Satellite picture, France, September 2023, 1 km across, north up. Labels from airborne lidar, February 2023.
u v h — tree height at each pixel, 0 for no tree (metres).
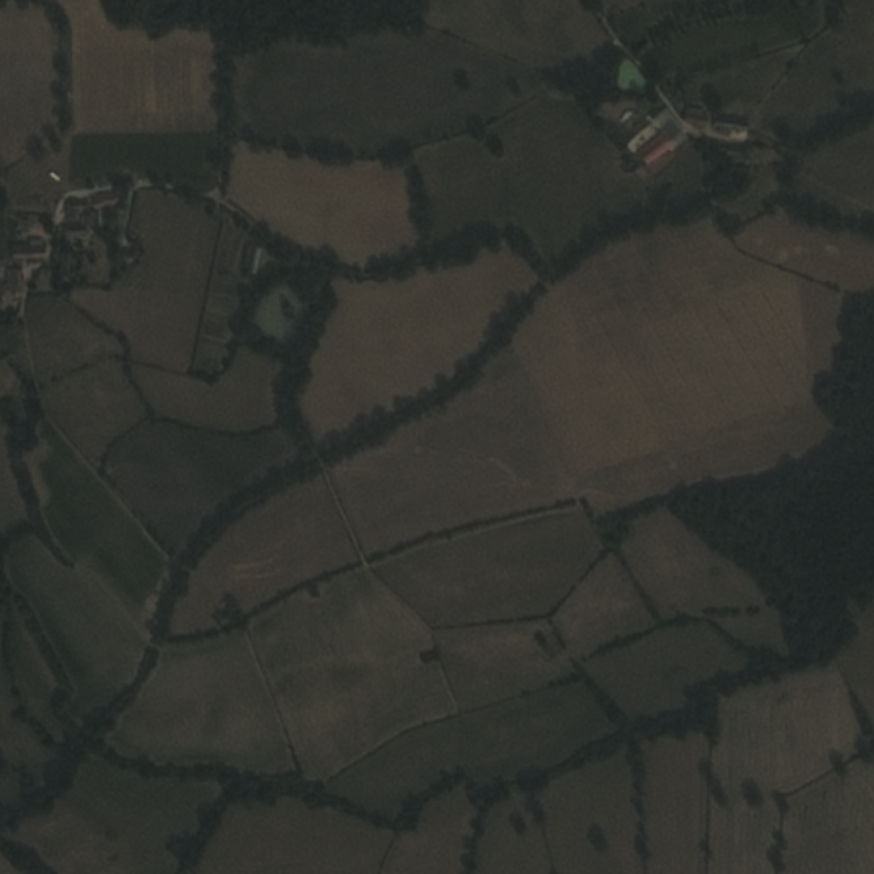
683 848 0
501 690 0
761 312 0
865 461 26
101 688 0
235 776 13
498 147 16
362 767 0
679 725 19
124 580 0
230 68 18
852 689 0
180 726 0
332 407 0
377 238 0
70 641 0
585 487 0
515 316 15
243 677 0
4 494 0
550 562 0
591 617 0
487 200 0
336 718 0
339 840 0
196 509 0
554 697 0
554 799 0
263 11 21
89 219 0
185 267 0
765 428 0
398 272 15
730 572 0
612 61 15
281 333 0
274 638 0
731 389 0
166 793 0
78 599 0
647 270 0
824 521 25
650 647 0
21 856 20
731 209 0
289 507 0
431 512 0
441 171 0
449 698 0
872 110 24
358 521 0
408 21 21
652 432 0
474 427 0
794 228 0
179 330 0
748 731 0
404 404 12
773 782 0
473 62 0
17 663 0
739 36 0
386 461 0
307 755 0
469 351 0
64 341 0
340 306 0
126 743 0
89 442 0
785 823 0
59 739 0
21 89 0
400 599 0
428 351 0
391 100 0
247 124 0
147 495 0
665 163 0
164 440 0
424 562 0
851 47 0
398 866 0
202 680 0
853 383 18
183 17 19
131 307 0
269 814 0
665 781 0
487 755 0
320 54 0
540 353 0
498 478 0
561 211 0
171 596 12
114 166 0
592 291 0
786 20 0
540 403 0
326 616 0
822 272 0
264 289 17
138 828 0
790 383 0
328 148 17
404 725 0
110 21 10
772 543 22
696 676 0
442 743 0
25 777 8
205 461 0
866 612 0
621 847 0
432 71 0
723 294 0
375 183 0
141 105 0
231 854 0
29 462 0
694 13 18
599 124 11
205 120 0
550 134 0
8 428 13
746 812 0
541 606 0
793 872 0
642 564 0
